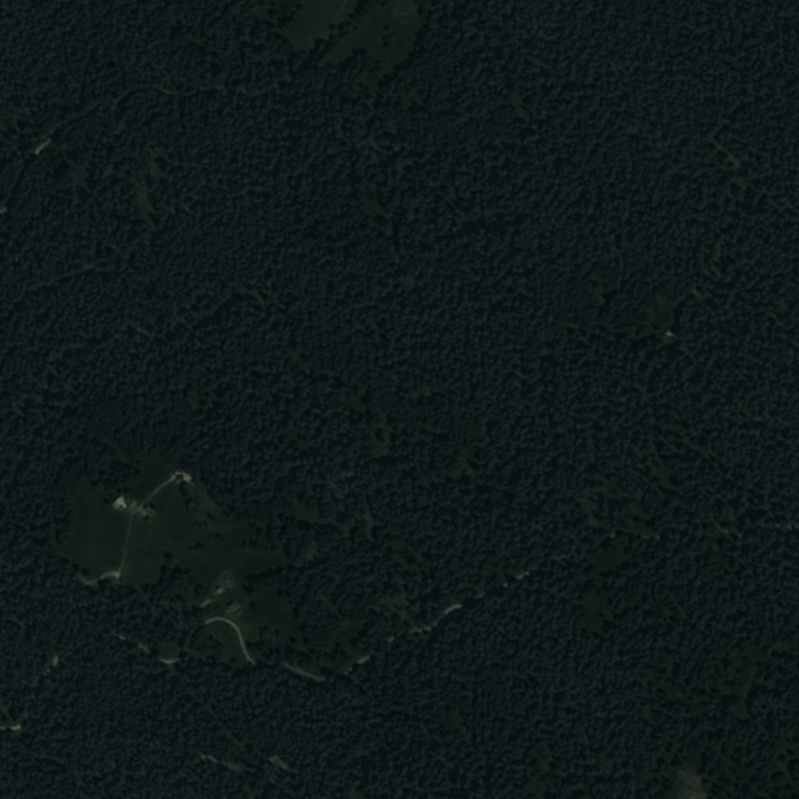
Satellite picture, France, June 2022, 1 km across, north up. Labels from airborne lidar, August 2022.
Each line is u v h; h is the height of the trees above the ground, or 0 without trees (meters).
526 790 28
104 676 21
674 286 26
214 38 22
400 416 26
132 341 21
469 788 25
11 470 20
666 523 26
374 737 19
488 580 11
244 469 34
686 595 20
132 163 26
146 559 0
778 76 24
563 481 29
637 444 30
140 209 22
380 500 31
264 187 23
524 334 27
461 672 27
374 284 31
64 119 24
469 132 23
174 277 14
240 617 0
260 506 24
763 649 20
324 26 0
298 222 27
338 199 27
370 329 20
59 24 37
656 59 27
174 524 0
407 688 26
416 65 20
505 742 23
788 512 34
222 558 0
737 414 23
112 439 26
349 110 36
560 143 28
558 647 25
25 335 27
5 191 25
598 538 23
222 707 16
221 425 28
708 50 33
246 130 19
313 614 25
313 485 18
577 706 10
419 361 20
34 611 21
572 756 24
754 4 26
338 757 19
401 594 26
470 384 19
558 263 31
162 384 30
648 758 31
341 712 19
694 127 20
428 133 20
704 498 27
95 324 27
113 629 23
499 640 28
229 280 20
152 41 28
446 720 24
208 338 28
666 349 17
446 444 24
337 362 31
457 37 24
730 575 21
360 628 0
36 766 13
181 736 20
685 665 17
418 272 30
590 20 24
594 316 20
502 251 29
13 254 29
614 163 28
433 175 32
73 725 7
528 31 17
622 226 24
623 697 29
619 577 19
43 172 30
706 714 9
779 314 12
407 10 0
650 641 31
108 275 7
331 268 34
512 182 37
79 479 24
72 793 21
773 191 22
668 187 17
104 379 27
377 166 31
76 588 20
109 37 24
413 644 31
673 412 34
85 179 0
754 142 13
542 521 35
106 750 17
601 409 29
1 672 16
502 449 29
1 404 14
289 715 23
